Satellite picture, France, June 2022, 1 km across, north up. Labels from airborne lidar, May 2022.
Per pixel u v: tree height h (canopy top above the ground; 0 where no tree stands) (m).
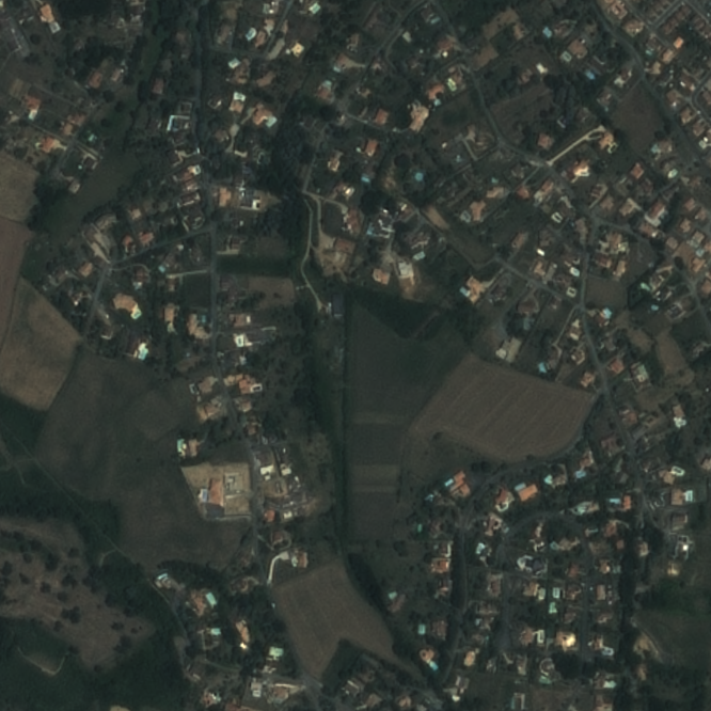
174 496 0
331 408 0
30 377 0
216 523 0
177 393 0
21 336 0
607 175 0
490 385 0
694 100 0
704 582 0
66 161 0
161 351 0
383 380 0
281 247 0
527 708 0
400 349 0
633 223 11
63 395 0
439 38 11
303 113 13
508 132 0
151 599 6
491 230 8
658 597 14
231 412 0
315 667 0
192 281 0
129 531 0
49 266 10
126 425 0
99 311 0
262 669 11
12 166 0
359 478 0
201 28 15
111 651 0
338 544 7
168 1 13
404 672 13
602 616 0
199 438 14
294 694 0
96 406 0
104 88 0
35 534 0
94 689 8
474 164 8
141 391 0
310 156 27
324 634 0
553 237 0
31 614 0
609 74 7
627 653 17
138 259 7
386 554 0
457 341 0
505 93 8
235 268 0
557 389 0
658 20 0
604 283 0
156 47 0
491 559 15
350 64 0
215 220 9
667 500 0
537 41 11
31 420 8
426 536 8
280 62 7
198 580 6
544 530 10
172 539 0
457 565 13
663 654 0
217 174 14
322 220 9
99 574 18
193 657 14
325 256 0
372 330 0
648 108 0
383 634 0
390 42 0
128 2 7
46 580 0
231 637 10
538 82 13
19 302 0
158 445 0
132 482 0
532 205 0
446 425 0
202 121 11
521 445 0
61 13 9
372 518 0
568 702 6
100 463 0
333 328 0
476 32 7
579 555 8
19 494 6
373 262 7
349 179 11
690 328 0
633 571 16
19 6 10
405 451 0
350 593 0
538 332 5
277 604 0
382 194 14
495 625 9
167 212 8
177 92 10
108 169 0
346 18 9
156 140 9
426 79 0
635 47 6
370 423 0
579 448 10
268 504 11
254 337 0
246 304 9
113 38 0
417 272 0
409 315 6
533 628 6
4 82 0
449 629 14
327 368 0
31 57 11
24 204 0
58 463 0
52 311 0
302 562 0
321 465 6
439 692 11
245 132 12
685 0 0
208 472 0
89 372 0
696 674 8
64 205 0
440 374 0
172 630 7
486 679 0
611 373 0
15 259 0
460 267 0
